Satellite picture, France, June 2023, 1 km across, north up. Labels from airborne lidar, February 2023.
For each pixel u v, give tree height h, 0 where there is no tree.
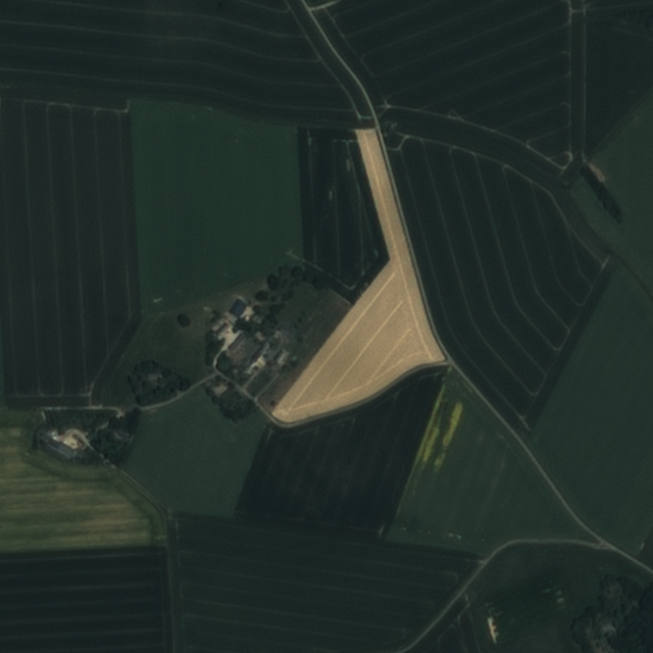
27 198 0
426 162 0
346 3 0
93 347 0
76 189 0
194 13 0
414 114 0
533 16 0
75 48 0
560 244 0
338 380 0
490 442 0
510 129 0
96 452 8
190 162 0
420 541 0
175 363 0
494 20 0
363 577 0
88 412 9
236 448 0
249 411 9
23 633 0
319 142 0
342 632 0
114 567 0
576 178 0
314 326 0
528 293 0
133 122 0
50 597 0
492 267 0
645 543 0
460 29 0
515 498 0
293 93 0
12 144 0
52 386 0
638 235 0
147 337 0
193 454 0
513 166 0
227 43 0
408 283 0
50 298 0
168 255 0
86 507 0
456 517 0
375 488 0
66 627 0
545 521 0
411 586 0
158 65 0
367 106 0
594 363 0
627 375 0
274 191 0
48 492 0
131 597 0
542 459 0
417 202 0
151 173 0
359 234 0
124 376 0
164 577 0
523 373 0
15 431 0
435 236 0
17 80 0
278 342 0
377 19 0
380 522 0
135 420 10
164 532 0
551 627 0
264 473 0
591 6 0
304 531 0
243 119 0
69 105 0
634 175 0
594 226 0
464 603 0
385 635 0
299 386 0
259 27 0
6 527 0
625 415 0
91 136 0
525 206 0
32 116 0
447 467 0
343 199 0
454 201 0
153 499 0
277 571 0
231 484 0
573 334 0
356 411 0
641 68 0
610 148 0
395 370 0
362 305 0
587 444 0
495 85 0
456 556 0
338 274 0
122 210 0
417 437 0
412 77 0
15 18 0
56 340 0
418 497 0
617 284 0
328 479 0
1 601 0
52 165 0
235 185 0
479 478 0
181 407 0
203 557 0
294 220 0
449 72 0
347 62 0
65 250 0
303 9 0
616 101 0
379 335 0
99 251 0
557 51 0
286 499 0
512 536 0
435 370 0
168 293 0
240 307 0
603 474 0
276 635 0
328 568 0
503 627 0
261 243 0
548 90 0
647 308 0
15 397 0
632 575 0
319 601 0
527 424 0
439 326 0
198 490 0
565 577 0
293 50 0
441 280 0
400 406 0
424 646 0
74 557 0
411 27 0
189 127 0
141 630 0
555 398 0
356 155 0
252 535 0
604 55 0
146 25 0
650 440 0
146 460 0
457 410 0
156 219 0
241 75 0
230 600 0
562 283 0
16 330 0
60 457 0
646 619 12
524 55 0
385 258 0
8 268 0
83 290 0
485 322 0
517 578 0
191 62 0
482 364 0
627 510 0
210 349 6
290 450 0
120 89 0
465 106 0
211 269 0
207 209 0
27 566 0
